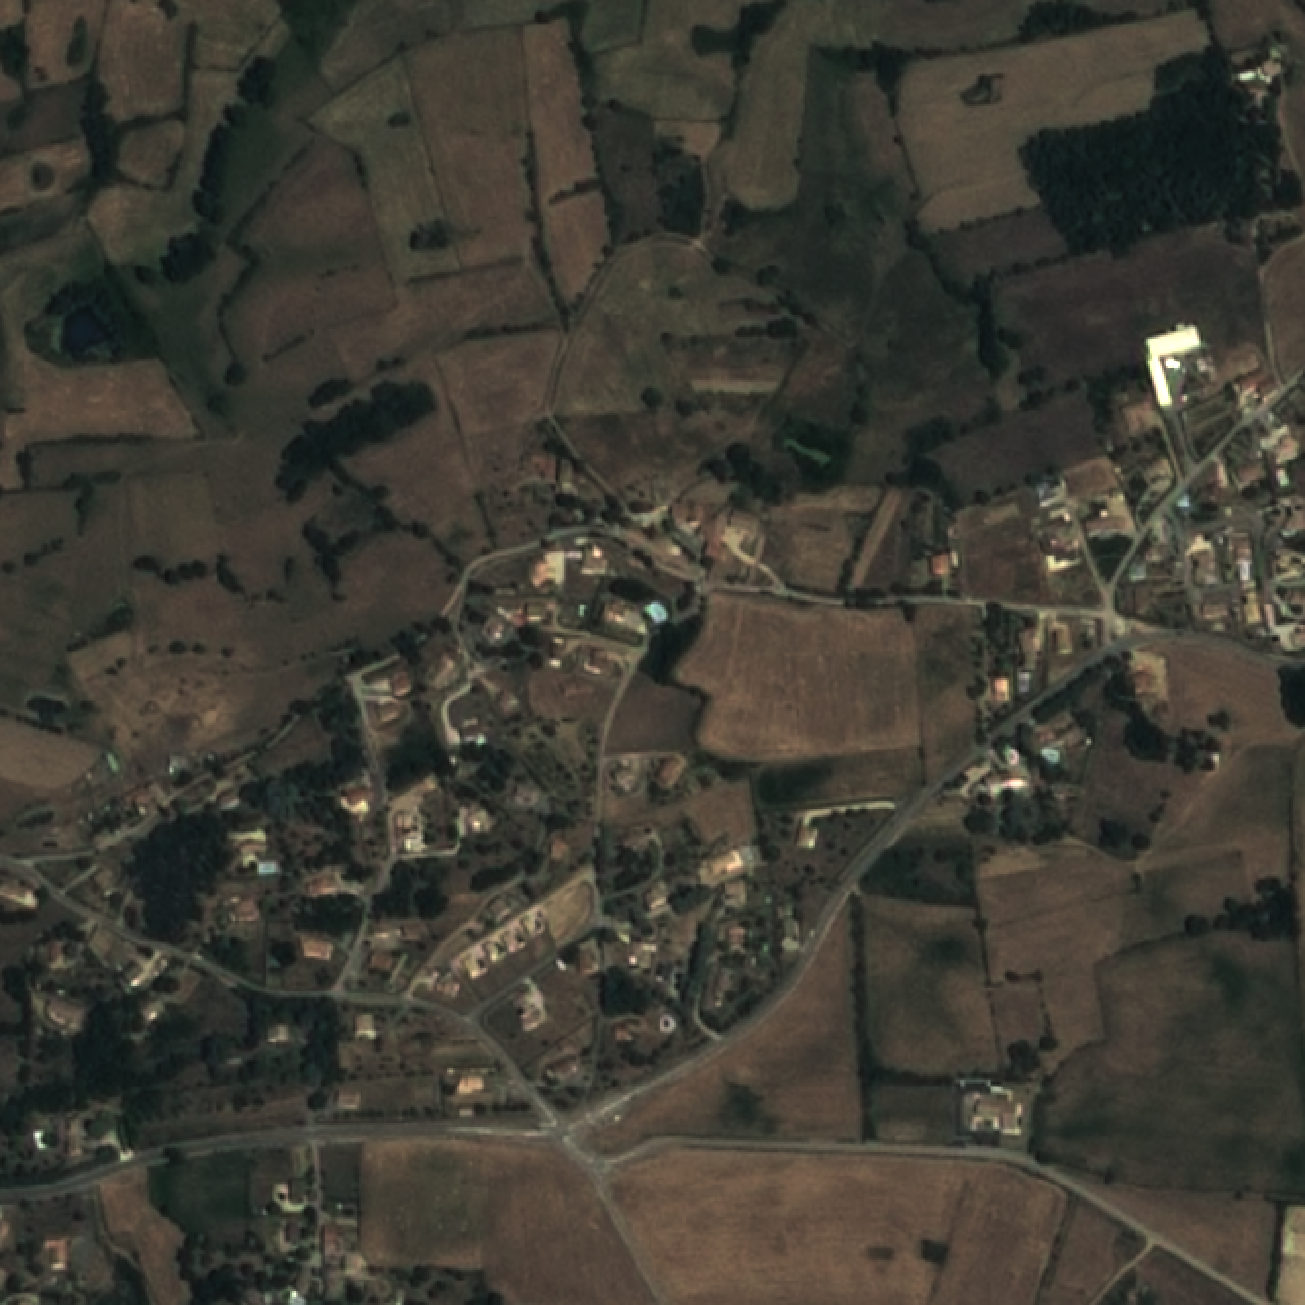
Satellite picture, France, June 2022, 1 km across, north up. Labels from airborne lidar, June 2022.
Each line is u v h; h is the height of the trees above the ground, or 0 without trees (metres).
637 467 0
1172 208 16
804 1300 0
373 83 0
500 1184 0
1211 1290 0
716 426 0
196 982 0
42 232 0
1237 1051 0
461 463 0
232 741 0
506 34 0
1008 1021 0
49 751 0
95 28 0
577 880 0
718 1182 0
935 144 0
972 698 7
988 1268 0
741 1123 0
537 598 0
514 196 0
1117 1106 0
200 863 8
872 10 0
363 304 0
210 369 0
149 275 22
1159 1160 0
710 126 0
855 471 0
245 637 0
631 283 0
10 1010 0
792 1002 0
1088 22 8
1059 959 0
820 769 0
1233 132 8
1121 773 0
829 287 0
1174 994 0
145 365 0
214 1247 9
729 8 0
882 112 0
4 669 0
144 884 9
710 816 0
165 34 0
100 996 10
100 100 15
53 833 0
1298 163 0
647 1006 10
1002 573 0
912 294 0
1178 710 0
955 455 0
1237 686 0
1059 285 0
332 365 0
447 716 0
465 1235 0
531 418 0
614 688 0
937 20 0
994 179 0
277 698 0
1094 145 7
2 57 7
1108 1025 0
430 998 0
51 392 0
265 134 0
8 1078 0
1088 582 0
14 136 0
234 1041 7
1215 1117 0
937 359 0
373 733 0
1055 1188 0
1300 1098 0
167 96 0
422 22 0
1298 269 0
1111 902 0
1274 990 0
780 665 0
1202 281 0
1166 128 10
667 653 11
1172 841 0
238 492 0
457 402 0
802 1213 0
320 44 0
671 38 0
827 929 0
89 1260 0
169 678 0
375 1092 0
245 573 0
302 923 9
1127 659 6
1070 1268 0
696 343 7
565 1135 0
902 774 0
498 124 0
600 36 0
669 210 7
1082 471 0
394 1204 0
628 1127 0
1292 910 11
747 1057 0
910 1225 0
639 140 0
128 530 0
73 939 8
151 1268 0
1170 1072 0
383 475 0
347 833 9
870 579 0
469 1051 0
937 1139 0
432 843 7
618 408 0
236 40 0
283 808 17
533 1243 0
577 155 0
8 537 0
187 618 0
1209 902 0
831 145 0
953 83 0
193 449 0
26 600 0
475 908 0
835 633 0
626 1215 0
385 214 0
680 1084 0
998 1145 0
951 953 0
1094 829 0
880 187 0
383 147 0
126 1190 0
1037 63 0
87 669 0
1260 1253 0
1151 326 0
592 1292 0
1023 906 0
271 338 0
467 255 0
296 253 0
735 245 0
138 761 0
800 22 0
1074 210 11
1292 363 0
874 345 0
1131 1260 0
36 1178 16
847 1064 0
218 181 25
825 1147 0
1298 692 9
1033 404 8
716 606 0
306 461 10
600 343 0
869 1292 0
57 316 18
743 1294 0
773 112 0
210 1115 0
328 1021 12
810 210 0
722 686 0
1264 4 0
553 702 0
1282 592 7
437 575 0
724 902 8
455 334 0
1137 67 0
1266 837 0
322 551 9
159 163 0
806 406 0
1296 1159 0
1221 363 0
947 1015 0
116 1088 10
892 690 0
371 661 13
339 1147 0
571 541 0
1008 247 0
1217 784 0
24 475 7
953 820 0
